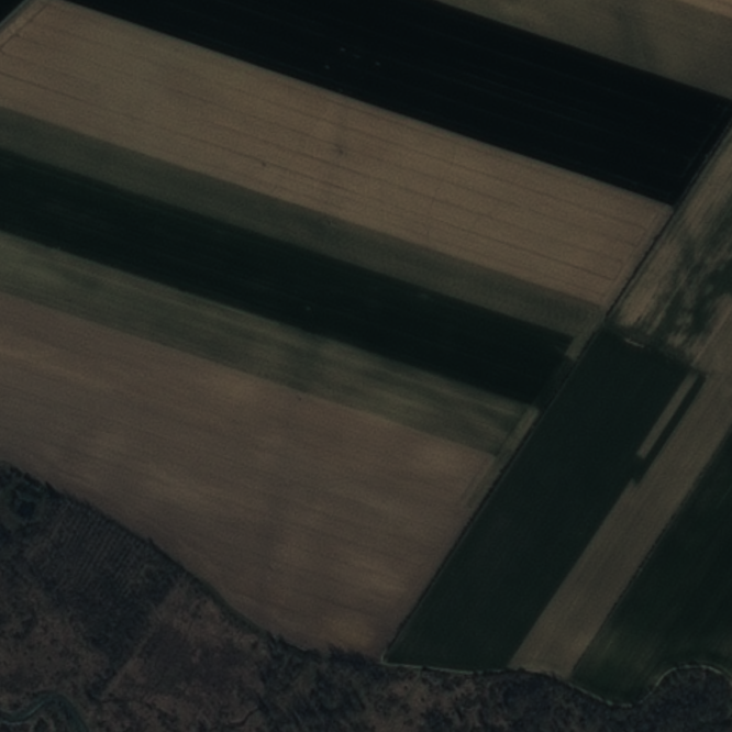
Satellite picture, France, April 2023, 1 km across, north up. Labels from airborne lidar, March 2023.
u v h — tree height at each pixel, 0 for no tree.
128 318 0
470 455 0
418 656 0
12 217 0
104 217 0
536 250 0
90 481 0
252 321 0
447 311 0
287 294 0
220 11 0
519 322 0
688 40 0
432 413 0
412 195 0
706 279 0
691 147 0
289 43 0
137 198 0
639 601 0
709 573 0
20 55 0
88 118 0
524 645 0
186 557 0
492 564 0
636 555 0
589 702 12
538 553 0
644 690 0
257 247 0
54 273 0
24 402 0
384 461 0
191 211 0
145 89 0
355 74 0
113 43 0
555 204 0
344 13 0
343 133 0
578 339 0
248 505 0
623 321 0
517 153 0
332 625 0
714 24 0
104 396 0
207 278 0
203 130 0
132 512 0
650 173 0
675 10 0
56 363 0
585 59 0
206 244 0
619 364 0
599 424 0
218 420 0
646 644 0
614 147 0
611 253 0
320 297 0
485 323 0
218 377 0
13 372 0
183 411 0
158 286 0
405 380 0
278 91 0
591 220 0
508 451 0
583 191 0
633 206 0
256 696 0
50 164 0
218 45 0
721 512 0
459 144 0
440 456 0
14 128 0
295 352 0
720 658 0
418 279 0
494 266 0
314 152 0
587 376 0
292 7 0
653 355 0
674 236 0
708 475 0
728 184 0
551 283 0
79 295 0
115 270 0
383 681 29
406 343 0
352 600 0
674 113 0
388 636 0
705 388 0
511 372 0
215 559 0
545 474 0
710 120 0
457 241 0
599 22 0
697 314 0
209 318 0
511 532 0
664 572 0
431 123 0
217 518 0
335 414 0
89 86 0
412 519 0
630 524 0
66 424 0
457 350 0
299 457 0
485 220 0
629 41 0
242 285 0
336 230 0
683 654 0
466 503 0
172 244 0
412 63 0
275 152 0
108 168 0
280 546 0
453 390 0
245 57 0
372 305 0
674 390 0
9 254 0
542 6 0
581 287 0
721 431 0
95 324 0
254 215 0
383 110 0
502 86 0
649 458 0
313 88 0
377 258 0
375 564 0
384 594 0
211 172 0
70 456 0
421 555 0
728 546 0
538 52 0
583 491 0
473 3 0
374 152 0
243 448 0
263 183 0
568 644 0
